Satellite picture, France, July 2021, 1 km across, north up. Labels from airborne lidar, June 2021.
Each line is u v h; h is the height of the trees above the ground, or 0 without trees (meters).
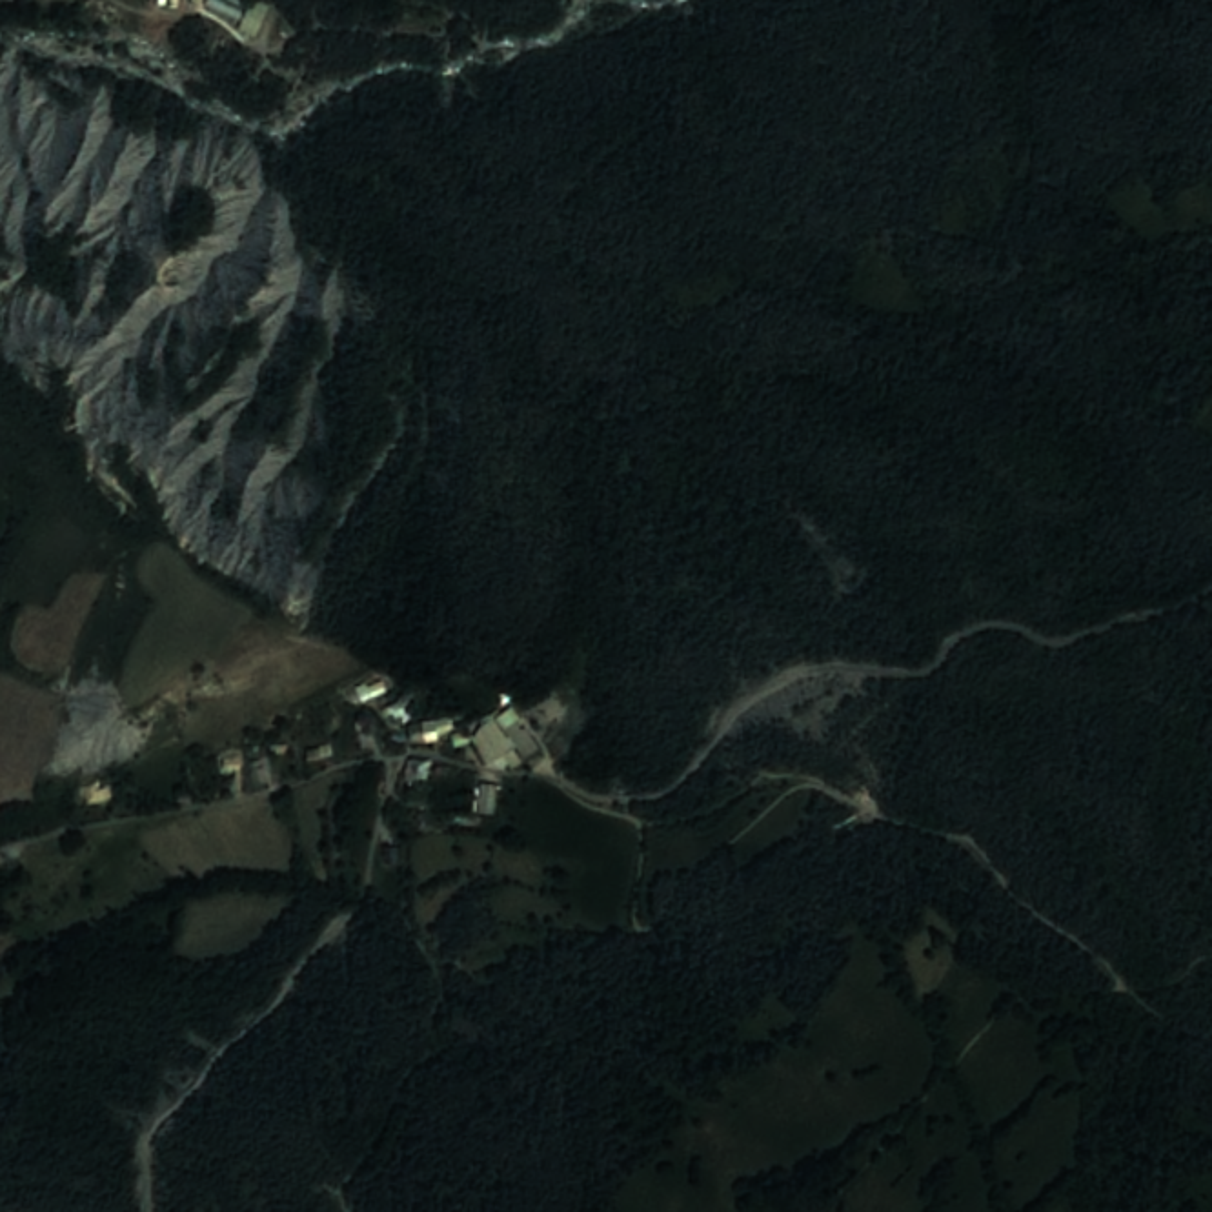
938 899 16
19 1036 13
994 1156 10
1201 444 7
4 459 0
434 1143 16
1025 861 13
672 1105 14
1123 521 9
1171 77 14
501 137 11
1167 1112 17
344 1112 9
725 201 13
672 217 11
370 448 6
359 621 13
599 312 14
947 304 9
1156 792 7
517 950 12
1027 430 8
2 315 0
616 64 9
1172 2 15
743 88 7
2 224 0
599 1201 13
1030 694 8
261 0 6
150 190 0
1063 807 9
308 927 10
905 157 9
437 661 6
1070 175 6
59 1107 9
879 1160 11
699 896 14
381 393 8
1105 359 6
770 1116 0
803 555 10
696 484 13
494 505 14
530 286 11
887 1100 0
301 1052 20
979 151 9
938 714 15
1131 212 0
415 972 14
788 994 19
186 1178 6
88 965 14
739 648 8
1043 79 13
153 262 0
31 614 0
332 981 15
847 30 10
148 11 0
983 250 14
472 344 11
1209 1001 5
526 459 12
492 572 10
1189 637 8
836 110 9
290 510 0
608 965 17
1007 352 8
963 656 6
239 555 0
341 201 19
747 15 8
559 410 19
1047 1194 10
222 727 0
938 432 10
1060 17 17
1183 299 8
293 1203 7
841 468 9
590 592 6
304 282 0
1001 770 10
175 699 0
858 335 8
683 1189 0
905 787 12
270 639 0
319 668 0
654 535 9
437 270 11
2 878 8
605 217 10
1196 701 9
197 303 0
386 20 10
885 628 8
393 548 11
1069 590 8
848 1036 0
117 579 0
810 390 17
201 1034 6
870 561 9
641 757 10
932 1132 10
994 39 15
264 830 0
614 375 14
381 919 13
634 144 11
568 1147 15
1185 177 10
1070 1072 0
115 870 0
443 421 11
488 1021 12
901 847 15
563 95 11
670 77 9
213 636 0
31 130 0
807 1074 0
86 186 0
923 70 9
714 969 16
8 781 0
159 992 7
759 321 13
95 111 0
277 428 5
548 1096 14
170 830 0
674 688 8
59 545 0
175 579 0
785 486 14
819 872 13
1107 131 13
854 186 12
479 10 12
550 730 0
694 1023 13
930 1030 8
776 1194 22
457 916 8
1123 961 11
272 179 7
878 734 10
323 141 16
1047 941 12
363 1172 13
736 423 11
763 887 17
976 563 11
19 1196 8
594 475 6
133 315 0
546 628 14
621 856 0
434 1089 18
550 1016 13
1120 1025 16
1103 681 7
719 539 13
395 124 12
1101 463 9
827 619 8
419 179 14
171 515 0
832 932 7
